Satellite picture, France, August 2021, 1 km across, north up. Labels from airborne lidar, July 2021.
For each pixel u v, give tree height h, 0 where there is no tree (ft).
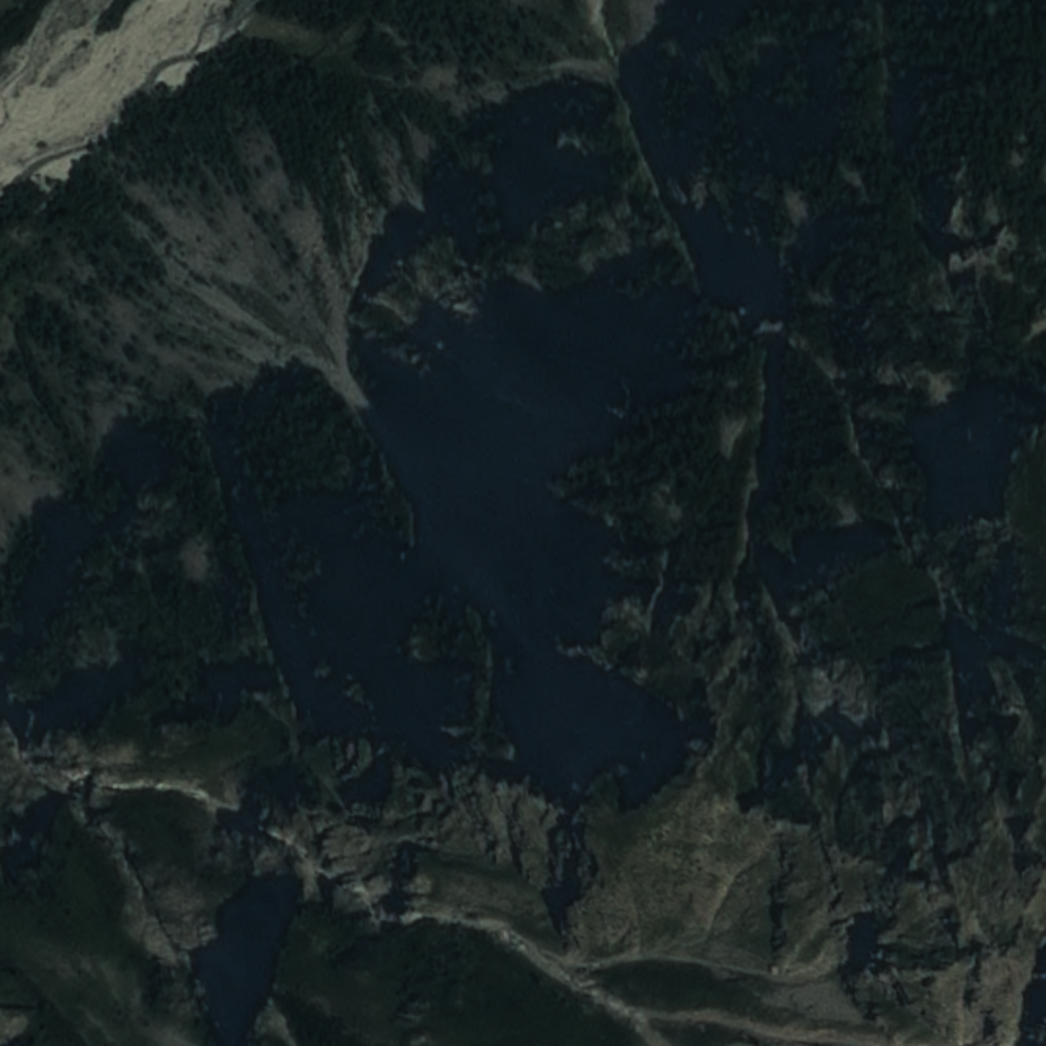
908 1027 0
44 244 23
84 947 0
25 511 0
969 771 0
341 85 21
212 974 0
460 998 0
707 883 0
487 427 0
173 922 0
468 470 0
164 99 28
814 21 58
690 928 0
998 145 20
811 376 19
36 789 0
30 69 0
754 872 0
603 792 0
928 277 0
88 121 0
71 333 42
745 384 21
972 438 0
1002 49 48
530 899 0
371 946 0
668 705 0
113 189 29
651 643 0
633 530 33
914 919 0
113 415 0
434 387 0
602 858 0
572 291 0
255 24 0
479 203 52
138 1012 0
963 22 45
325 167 19
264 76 47
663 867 0
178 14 0
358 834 0
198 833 0
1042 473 0
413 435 0
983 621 0
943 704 0
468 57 40
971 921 0
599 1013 0
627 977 0
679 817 0
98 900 0
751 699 0
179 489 39
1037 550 0
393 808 0
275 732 0
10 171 0
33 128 0
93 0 0
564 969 0
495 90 0
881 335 0
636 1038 0
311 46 0
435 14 42
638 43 0
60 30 0
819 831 0
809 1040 0
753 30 41
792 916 0
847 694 0
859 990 0
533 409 0
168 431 23
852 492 0
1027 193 28
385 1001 0
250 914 0
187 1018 0
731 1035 0
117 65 0
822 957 0
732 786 0
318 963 0
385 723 0
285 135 33
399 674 0
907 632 0
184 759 0
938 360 21
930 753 0
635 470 21
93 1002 0
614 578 0
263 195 0
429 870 0
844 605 0
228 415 18
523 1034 0
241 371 0
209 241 0
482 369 0
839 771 0
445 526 0
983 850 0
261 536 34
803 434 25
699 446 20
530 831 0
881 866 0
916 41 29
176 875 0
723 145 32
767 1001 0
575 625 0
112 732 0
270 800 0
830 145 26
